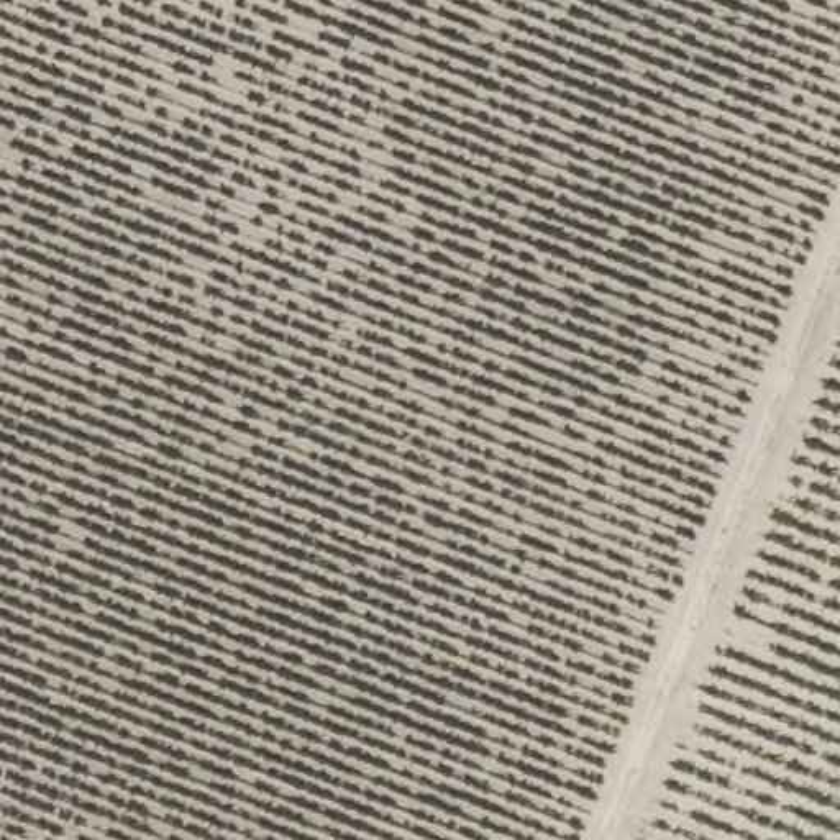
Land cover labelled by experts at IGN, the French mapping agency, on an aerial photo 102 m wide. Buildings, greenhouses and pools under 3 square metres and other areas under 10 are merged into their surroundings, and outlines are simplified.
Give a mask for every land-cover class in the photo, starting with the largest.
<instances>
[{"label":"vineyard","instance_id":"1","mask_svg":"<svg viewBox=\"0 0 840 840\"><path fill-rule=\"evenodd\" d=\"M840 180V0H0V840H587L584 820L591 817L594 797L604 784V761L607 755H614V748L620 745V732L627 728L633 679L650 663V653L656 646V623L663 620L669 600L683 587V564L692 558L696 548L692 538L699 525H705V509L715 499L728 446L742 433L738 427L715 417L719 410H725L732 417H742L745 404L758 390V361L771 354L778 341V315L791 299L794 276L814 249V226L824 220L827 197ZM837 371L833 377H824L810 417L814 427L804 436L807 450L804 456L791 459L794 466L814 469V482L791 476L794 499L784 512H771L765 541L758 548V558L768 564L765 571H748L745 591L735 600V617L761 630L745 650L715 646L712 676L722 679L719 686H702L705 696L742 705V715H732L715 705H699V712L712 719L709 725H689L679 735V761H673L666 774L669 791L696 797L702 804H715L748 820L738 830L712 814H689L686 807H676V801H660L663 810L686 814V827L679 830L669 820H643L633 840H840V345L833 348Z\"/></svg>","mask_w":840,"mask_h":840},{"label":"plowed land","instance_id":"2","mask_svg":"<svg viewBox=\"0 0 840 840\"><path fill-rule=\"evenodd\" d=\"M778 341L771 354L758 361V390L745 404L742 417H732L725 410H719L715 417L738 427L742 433L728 446L715 499L705 509V525H699L692 538L696 548L692 558L683 564V587L669 600L663 620L656 623V646L650 653V663L633 679L627 728L620 732V745L614 748V755H607L604 761V784L594 797L591 817L584 820L587 840H633L643 820H669L679 830L686 827V814L663 810L660 801H676V807H686L689 814H712L738 830L748 820L715 804H702L696 797L669 791L666 774L673 761H679V735L689 725H709L712 719L699 712V705H715L732 715H742V705L705 696L702 686H719L722 679L712 676L715 646L745 650L761 630L735 617V600L745 591L748 571H765L768 564L758 558V548L765 541L771 512H784L794 499L791 476L814 482V469L794 466L791 459L804 456L807 450L804 436L814 427L810 417L824 377H833L837 371L833 348L840 345V180L827 197L824 220L814 226V249L794 276L791 299L778 315Z\"/></svg>","mask_w":840,"mask_h":840}]
</instances>
